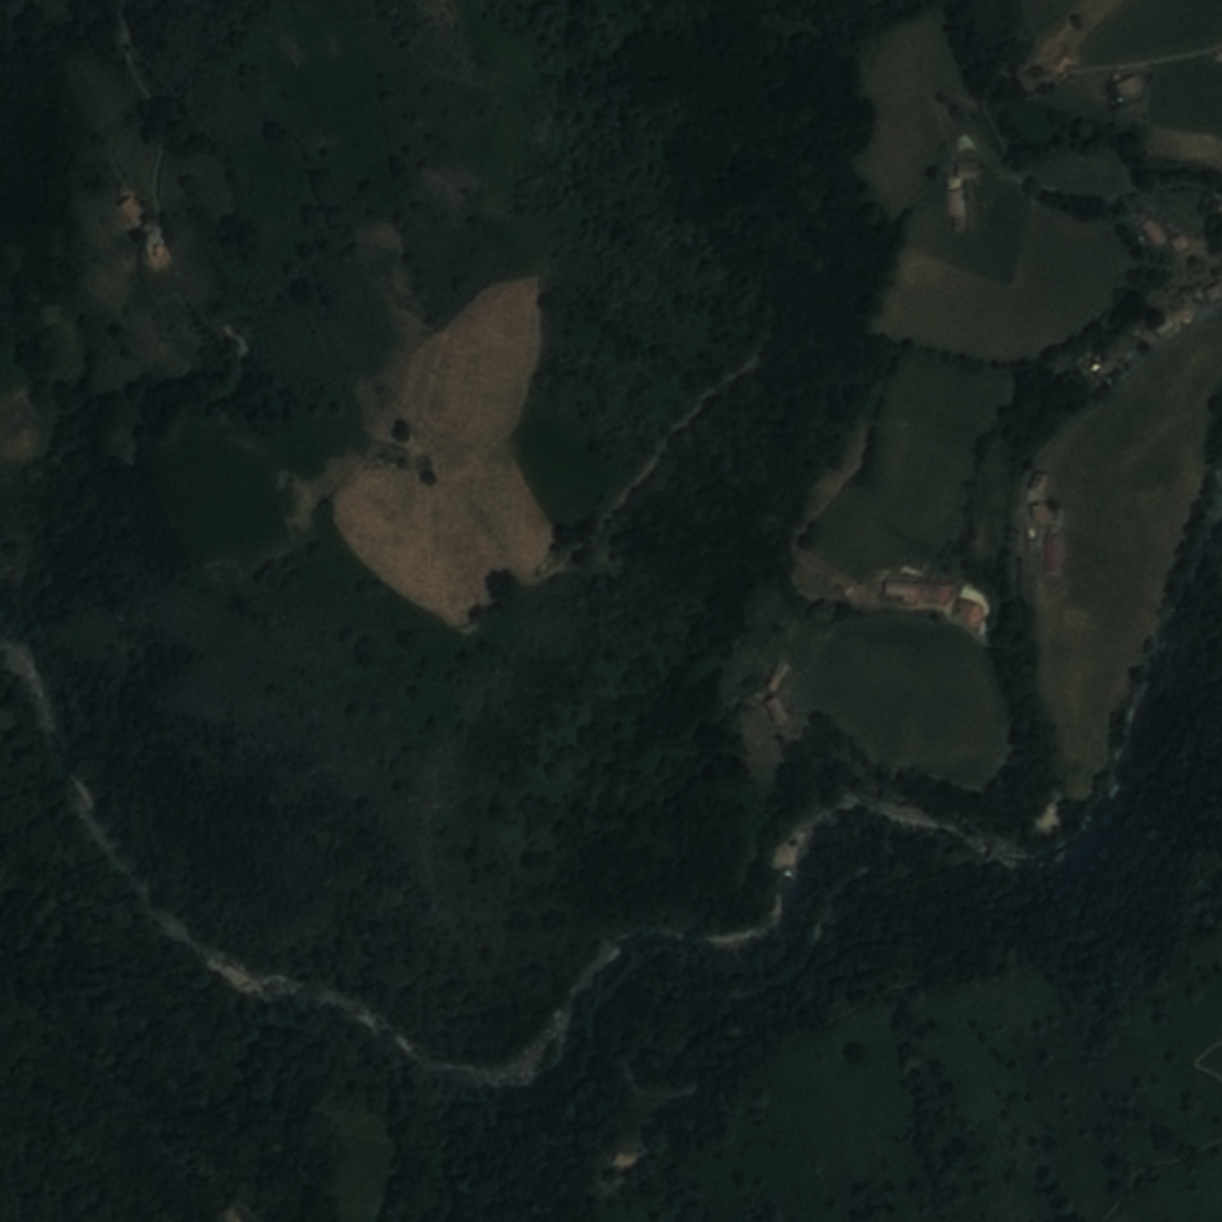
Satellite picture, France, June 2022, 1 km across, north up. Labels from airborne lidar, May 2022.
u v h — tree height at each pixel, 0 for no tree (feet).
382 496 0
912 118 0
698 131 85
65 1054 70
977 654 0
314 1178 68
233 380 29
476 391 0
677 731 37
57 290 70
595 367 26
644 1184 49
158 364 0
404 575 0
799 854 0
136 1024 86
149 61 21
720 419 40
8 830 81
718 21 75
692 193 82
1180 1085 0
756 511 62
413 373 0
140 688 39
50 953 95
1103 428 0
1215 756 62
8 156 78
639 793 23
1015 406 44
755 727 0
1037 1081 0
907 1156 0
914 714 0
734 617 60
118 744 51
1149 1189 22
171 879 45
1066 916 80
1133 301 59
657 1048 22
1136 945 51
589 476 0
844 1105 0
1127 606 0
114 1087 44
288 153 0
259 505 0
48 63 55
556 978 71
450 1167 60
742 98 74
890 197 0
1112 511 0
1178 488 0
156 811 38
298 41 0
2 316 75
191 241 0
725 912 39
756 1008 45
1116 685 0
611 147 33
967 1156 45
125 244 0
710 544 49
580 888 41
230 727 20
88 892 66
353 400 0
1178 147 0
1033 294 0
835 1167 0
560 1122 81
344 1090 73
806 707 0
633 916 68
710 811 42
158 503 38
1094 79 0
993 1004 0
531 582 0
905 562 0
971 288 0
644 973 63
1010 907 59
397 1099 78
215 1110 84
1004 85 46
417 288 21
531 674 21
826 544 0
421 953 28
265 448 0
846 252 78
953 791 78
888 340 47
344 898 48
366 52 0
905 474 0
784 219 71
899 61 0
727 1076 43
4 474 0
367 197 34
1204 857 33
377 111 0
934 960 65
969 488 30
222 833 29
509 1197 80
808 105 78
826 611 41
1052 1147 49
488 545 0
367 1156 0
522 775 44
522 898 35
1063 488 0
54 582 48
